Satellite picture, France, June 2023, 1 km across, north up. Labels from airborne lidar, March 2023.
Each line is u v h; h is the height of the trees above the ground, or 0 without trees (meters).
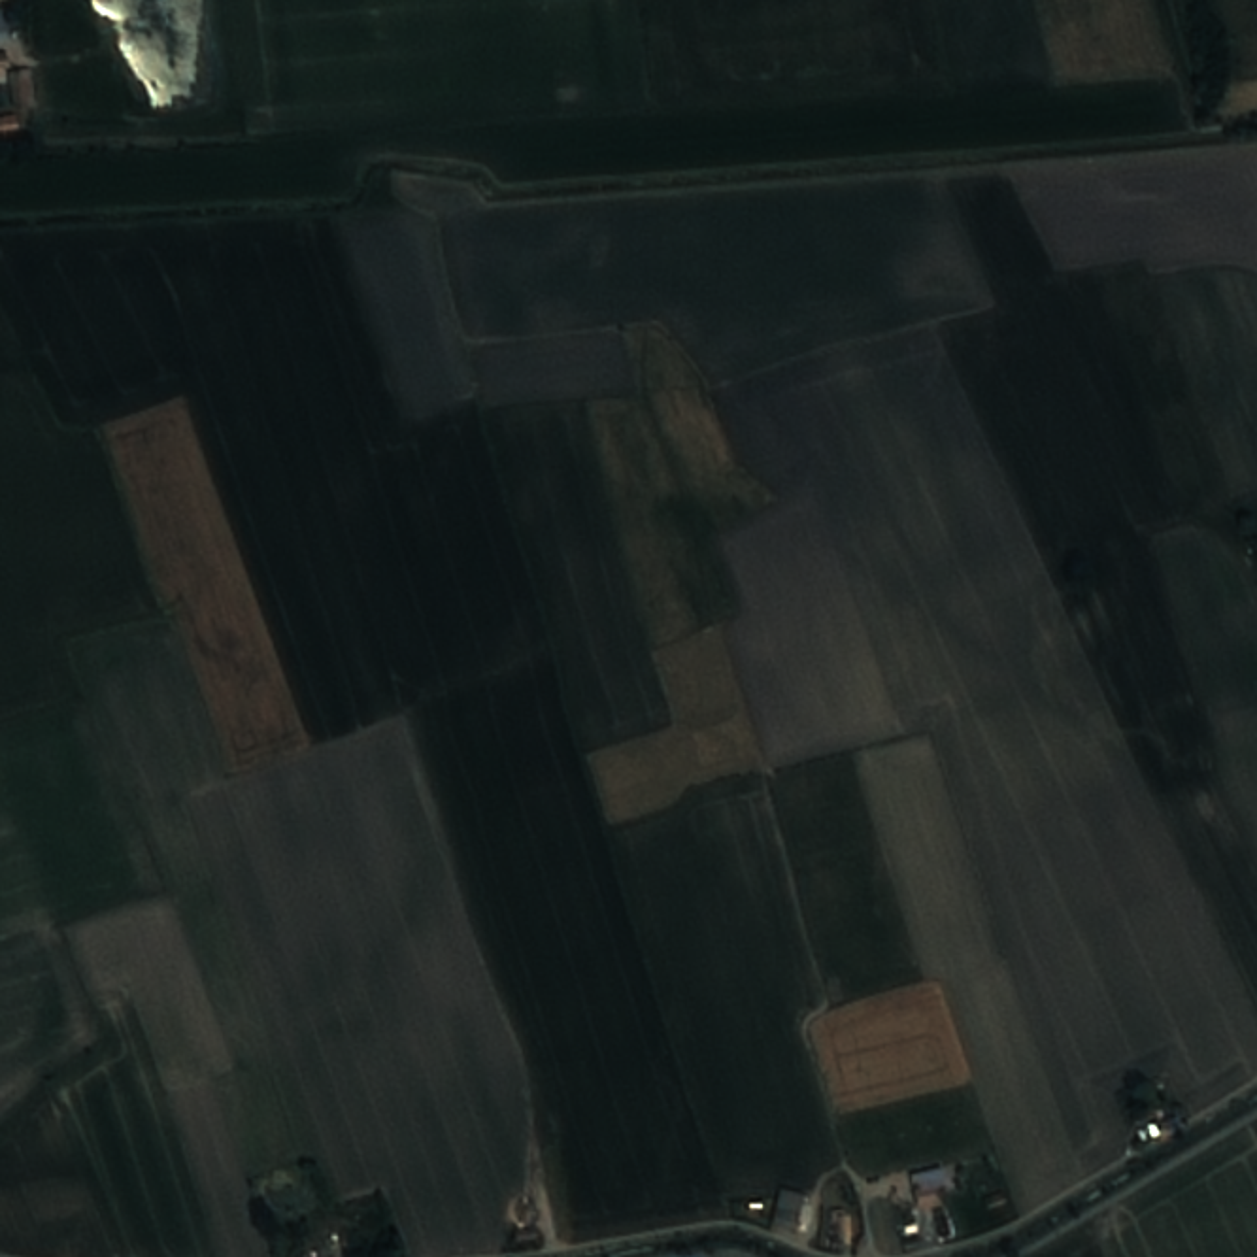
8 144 12
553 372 0
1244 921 0
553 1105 0
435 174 0
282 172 0
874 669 0
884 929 0
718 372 0
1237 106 0
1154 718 0
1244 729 0
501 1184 0
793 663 0
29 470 0
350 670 0
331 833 0
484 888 0
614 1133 0
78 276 0
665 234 0
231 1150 0
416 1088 0
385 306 0
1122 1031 0
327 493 0
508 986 0
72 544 0
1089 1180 0
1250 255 0
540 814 0
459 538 0
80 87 0
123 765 0
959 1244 0
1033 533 0
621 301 0
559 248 0
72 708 0
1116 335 0
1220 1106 0
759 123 0
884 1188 0
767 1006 0
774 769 0
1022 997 0
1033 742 0
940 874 0
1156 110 0
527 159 0
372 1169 0
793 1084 0
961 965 0
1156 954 0
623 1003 0
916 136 0
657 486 0
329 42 0
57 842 0
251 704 0
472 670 0
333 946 0
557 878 0
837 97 0
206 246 0
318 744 0
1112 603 0
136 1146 0
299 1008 0
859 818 0
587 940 0
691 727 0
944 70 0
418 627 0
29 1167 0
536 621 0
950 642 0
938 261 0
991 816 0
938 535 0
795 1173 0
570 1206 0
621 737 0
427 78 0
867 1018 0
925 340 0
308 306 0
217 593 0
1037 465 0
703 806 0
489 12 0
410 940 0
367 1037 0
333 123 0
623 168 0
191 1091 0
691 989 0
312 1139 0
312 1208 0
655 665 0
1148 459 0
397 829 0
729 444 0
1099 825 0
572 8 0
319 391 0
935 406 0
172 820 0
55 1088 0
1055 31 0
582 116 0
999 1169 0
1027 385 0
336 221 0
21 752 0
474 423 0
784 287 0
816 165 0
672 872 0
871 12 0
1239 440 0
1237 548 0
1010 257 0
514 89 0
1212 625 0
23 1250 0
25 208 0
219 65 0
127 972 0
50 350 0
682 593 0
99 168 0
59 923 0
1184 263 0
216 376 0
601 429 0
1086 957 0
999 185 0
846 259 0
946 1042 0
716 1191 0
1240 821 0
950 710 0
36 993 0
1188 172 0
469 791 0
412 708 0
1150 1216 0
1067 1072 0
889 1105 0
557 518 0
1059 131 0
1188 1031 0
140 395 0
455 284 0
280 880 0
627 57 0
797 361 0
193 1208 0
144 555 0
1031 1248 0
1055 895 0
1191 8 6
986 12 0
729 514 0
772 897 0
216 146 0
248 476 0
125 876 0
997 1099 0
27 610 0
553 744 0
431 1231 0
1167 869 0
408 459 0
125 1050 0
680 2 0
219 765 0
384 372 0
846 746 0
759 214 0
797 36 0
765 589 0
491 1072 0
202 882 0
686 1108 0
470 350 0
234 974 0
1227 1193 0
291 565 0
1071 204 0
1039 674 0
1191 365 0
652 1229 0
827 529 0
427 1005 0
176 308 0
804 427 0
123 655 0
